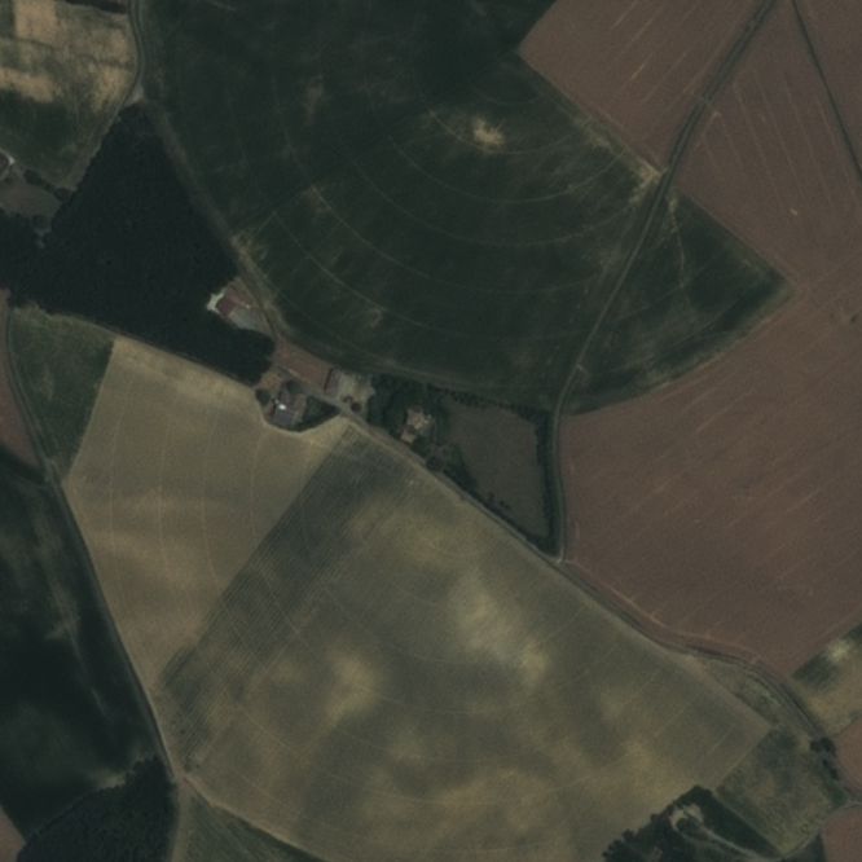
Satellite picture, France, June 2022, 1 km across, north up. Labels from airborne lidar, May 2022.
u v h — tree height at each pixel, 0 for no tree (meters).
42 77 0
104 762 0
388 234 0
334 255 0
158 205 21
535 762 0
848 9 0
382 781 0
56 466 0
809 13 0
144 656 0
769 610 0
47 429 0
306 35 0
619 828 0
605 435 0
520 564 0
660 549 0
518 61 0
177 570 0
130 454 0
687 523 0
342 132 0
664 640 0
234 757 0
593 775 0
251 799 0
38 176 11
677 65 0
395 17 0
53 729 0
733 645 0
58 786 0
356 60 0
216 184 0
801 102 0
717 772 0
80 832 16
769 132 0
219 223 0
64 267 18
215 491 0
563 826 0
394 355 0
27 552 0
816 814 0
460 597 0
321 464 0
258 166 0
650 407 0
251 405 0
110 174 20
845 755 0
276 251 0
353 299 0
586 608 0
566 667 0
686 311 0
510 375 0
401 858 0
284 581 0
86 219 18
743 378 0
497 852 0
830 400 0
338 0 0
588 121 0
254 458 0
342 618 0
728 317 0
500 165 0
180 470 0
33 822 0
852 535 0
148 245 20
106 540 0
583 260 0
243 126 0
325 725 0
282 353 0
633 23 0
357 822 0
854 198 0
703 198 0
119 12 10
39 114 0
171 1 0
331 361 0
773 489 0
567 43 0
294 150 0
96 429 0
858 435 0
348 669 0
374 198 0
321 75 0
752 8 0
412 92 0
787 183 0
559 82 0
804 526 0
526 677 0
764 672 0
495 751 0
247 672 0
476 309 0
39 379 0
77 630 0
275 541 0
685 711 0
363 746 0
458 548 0
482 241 0
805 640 0
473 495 20
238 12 0
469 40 0
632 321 0
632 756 0
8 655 0
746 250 0
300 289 0
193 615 0
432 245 0
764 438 0
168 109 0
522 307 0
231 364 16
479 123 0
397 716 0
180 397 0
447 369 0
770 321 0
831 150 0
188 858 0
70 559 0
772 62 0
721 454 0
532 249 0
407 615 0
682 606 0
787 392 0
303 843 0
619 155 0
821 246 0
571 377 0
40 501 0
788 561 0
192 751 0
